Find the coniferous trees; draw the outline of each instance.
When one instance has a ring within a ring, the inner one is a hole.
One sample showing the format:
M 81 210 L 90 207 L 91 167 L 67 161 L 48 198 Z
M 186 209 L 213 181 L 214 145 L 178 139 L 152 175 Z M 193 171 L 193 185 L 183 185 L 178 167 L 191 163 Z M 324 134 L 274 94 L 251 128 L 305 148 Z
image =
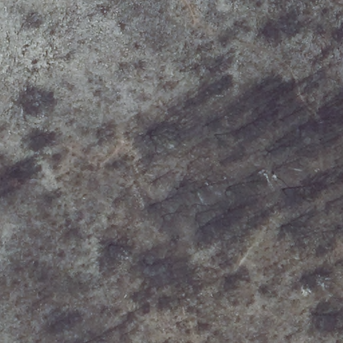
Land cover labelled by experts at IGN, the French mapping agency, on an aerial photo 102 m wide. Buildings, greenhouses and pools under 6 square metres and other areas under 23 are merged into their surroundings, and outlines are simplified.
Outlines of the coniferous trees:
M 90 165 L 86 158 L 80 157 L 66 173 L 56 177 L 56 181 L 62 182 L 62 188 L 48 192 L 42 184 L 46 176 L 42 170 L 39 171 L 38 178 L 25 181 L 21 189 L 17 190 L 15 204 L 9 206 L 4 197 L 0 198 L 0 214 L 16 214 L 16 228 L 12 229 L 11 238 L 17 240 L 17 248 L 20 248 L 20 252 L 9 256 L 12 268 L 9 272 L 11 285 L 7 285 L 5 277 L 0 276 L 0 301 L 8 300 L 12 291 L 23 291 L 23 296 L 16 297 L 15 305 L 25 305 L 25 311 L 35 316 L 39 314 L 40 304 L 52 305 L 54 310 L 44 315 L 46 324 L 40 328 L 39 338 L 33 340 L 33 343 L 343 343 L 343 82 L 339 72 L 327 75 L 327 71 L 334 67 L 334 63 L 327 64 L 322 70 L 312 72 L 305 78 L 291 79 L 288 82 L 271 70 L 268 78 L 253 78 L 241 84 L 237 96 L 233 95 L 233 88 L 230 87 L 221 94 L 213 95 L 204 105 L 193 106 L 190 109 L 182 107 L 180 111 L 170 106 L 162 122 L 153 123 L 146 133 L 135 134 L 134 141 L 146 141 L 149 146 L 149 153 L 145 155 L 151 161 L 149 173 L 142 174 L 142 163 L 137 165 L 137 162 L 127 161 L 130 170 L 122 167 L 110 170 L 100 166 L 102 157 L 96 161 L 96 165 Z M 90 264 L 75 265 L 79 257 L 90 255 L 88 249 L 83 249 L 82 243 L 91 237 L 96 238 L 99 243 L 98 259 L 91 261 Z

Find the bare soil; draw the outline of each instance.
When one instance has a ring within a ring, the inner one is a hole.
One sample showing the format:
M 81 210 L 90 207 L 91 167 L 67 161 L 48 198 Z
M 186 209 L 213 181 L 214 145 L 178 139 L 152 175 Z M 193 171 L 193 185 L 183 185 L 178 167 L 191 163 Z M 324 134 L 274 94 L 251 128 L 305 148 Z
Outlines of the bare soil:
M 12 229 L 16 228 L 16 214 L 0 214 L 0 276 L 5 277 L 7 285 L 11 285 L 9 272 L 12 268 L 9 256 L 20 252 L 20 248 L 17 248 L 17 240 L 11 238 Z
M 149 146 L 146 141 L 134 141 L 135 134 L 146 133 L 153 123 L 162 122 L 170 106 L 180 111 L 182 107 L 190 109 L 193 106 L 204 105 L 213 95 L 221 94 L 230 87 L 233 88 L 233 95 L 237 96 L 241 84 L 253 78 L 268 78 L 271 70 L 288 82 L 291 79 L 305 78 L 312 72 L 322 70 L 327 64 L 334 63 L 334 67 L 327 71 L 327 75 L 339 72 L 343 82 L 343 0 L 0 0 L 0 198 L 4 197 L 9 206 L 15 204 L 17 190 L 21 189 L 25 181 L 38 178 L 39 171 L 42 170 L 46 176 L 42 184 L 48 192 L 62 188 L 62 182 L 56 181 L 56 177 L 66 173 L 80 157 L 86 158 L 90 165 L 96 165 L 96 161 L 102 157 L 100 166 L 110 170 L 122 167 L 130 170 L 127 161 L 137 162 L 137 165 L 142 163 L 142 174 L 149 173 L 151 161 L 145 155 L 149 153 Z
M 98 259 L 99 243 L 96 238 L 91 237 L 82 243 L 83 249 L 88 249 L 90 255 L 79 257 L 75 265 L 90 264 L 91 261 Z
M 54 310 L 52 305 L 40 304 L 39 314 L 35 316 L 25 311 L 25 305 L 15 305 L 16 297 L 23 296 L 23 291 L 12 291 L 8 300 L 0 301 L 0 343 L 33 343 L 33 340 L 39 338 L 40 328 L 46 324 L 44 315 Z

